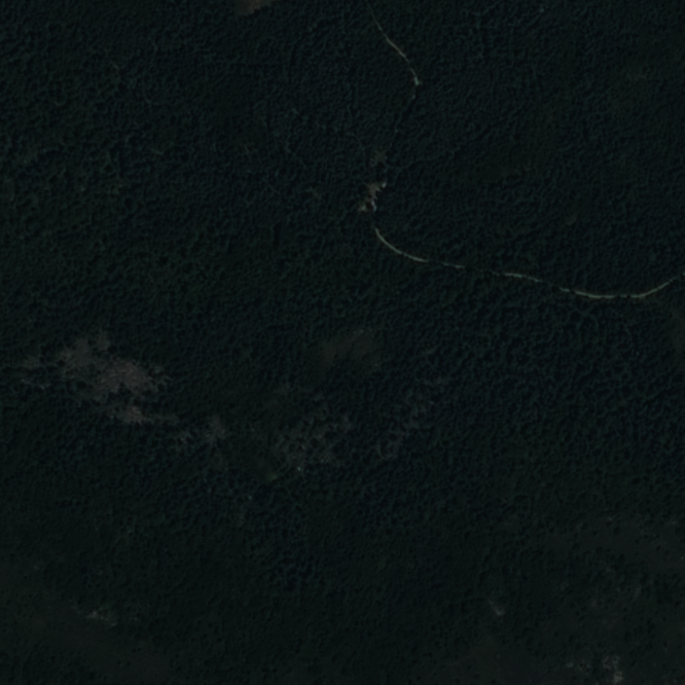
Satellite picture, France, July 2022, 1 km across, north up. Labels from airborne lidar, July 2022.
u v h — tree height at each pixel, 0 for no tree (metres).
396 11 11
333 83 14
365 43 15
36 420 19
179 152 21
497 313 12
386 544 7
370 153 19
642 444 18
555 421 16
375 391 14
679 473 22
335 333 12
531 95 15
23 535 7
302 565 28
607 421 18
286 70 17
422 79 10
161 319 19
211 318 22
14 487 11
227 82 12
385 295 12
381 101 19
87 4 17
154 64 15
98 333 11
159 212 23
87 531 9
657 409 19
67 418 18
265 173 24
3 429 11
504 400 10
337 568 9
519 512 8
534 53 16
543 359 14
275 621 7
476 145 18
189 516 16
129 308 21
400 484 17
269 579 16
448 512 15
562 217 10
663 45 9
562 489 9
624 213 13
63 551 11
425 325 21
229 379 10
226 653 8
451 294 17
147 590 11
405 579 7
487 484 10
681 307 14
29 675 8
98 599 6
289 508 24
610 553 7
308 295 17
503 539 10
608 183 14
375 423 14
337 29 18
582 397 17
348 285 8
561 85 11
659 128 6
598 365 19
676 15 11
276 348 18
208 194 21
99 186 8
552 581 9
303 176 14
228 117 6
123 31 18
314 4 16
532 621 6
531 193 23
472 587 7
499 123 19
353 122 13
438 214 15
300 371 13
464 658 0
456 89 24
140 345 21
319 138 15
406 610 11
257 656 9
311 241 24
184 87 21
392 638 7
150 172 27
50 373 19
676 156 8
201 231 7
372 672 10
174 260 7
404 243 13
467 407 19
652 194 13
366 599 7
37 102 22
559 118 9
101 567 7
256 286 8
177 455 15
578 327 11
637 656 7
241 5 0
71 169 18
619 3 7
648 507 8
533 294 16
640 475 13
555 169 18
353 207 18
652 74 8
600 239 19
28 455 14
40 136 26
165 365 15
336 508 7
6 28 22
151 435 15
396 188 23
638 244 18
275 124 15
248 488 20
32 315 13
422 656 7
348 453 8
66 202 22
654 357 21
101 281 8
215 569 11
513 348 20
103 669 0
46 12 21
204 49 23
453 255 10
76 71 28
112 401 19
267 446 7
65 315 20
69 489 10
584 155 18
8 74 20
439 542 11
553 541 0
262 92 18
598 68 21
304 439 11
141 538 14
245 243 21
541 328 17
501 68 23
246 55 16
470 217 15
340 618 12
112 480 24
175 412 27
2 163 7
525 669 0
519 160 10
